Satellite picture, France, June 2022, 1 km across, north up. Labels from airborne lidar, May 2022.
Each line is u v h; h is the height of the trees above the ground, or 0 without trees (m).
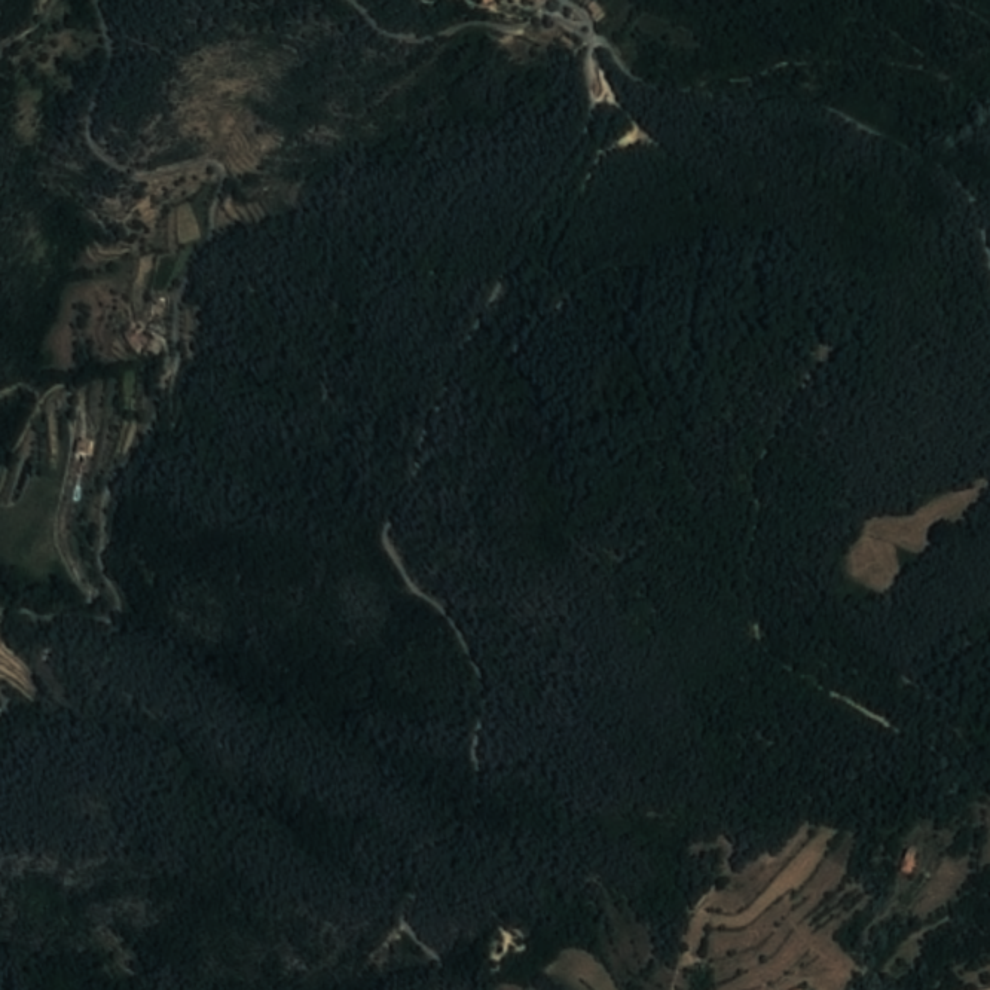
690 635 11
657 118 16
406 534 14
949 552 21
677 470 16
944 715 24
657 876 7
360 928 13
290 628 9
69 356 0
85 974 9
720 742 14
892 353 19
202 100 0
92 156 6
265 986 7
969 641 32
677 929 11
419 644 17
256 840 19
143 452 15
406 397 12
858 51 12
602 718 10
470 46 19
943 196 21
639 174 11
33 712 14
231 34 8
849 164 21
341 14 6
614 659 12
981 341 21
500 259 14
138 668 14
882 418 23
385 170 19
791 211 27
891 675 15
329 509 10
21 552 0
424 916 12
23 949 13
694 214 18
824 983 0
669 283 29
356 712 19
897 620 21
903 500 21
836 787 13
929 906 0
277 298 20
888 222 24
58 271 10
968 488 14
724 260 30
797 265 36
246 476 6
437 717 11
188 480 15
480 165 14
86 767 17
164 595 12
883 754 18
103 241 6
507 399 15
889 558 0
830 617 19
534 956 8
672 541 12
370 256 18
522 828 18
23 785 18
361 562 8
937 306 23
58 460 0
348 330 8
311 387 6
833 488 20
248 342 14
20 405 8
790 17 19
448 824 14
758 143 26
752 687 16
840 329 32
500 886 18
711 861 16
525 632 15
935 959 16
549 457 11
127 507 16
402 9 11
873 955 10
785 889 0
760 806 14
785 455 17
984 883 10
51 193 22
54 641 22
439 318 11
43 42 7
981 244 17
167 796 19
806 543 23
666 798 14
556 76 7
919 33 11
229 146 0
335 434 7
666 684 16
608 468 33
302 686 20
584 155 13
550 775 16
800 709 16
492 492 12
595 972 0
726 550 17
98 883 7
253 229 16
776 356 18
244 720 14
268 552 11
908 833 11
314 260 11
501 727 16
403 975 18
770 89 16
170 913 6
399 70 10
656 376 21
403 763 25
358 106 7
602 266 14
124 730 19
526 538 17
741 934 0
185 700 15
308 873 21
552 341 19
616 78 24
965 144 18
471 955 13
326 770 21
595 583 15
